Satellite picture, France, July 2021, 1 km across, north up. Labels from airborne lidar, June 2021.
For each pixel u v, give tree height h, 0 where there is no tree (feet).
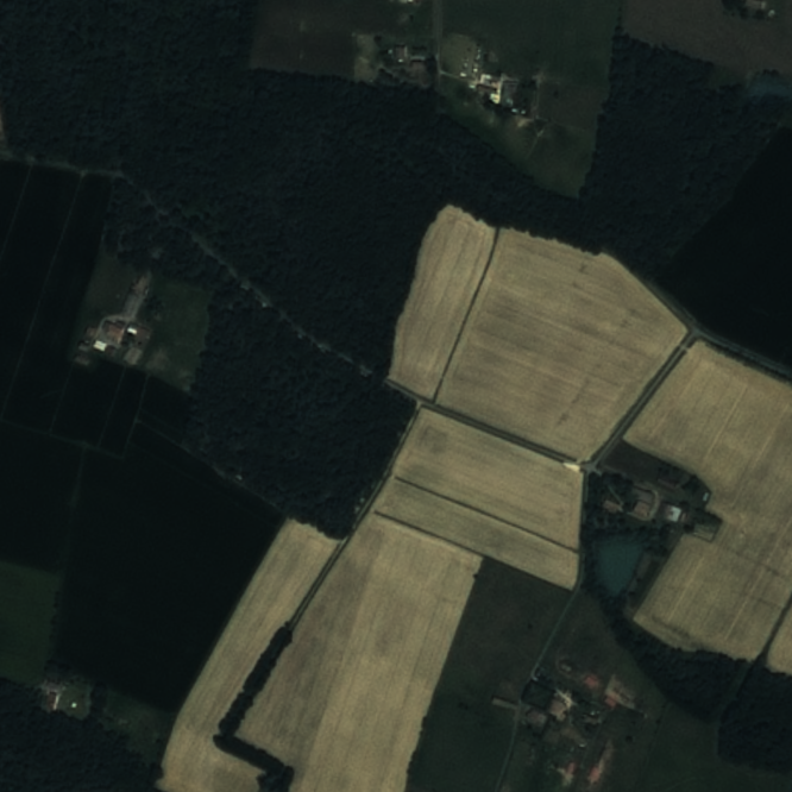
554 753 0
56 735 59
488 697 0
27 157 62
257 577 0
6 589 0
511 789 0
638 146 74
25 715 58
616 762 0
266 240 40
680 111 39
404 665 0
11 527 0
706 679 46
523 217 46
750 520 0
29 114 52
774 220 0
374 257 61
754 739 81
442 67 0
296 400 67
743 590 0
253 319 59
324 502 48
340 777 0
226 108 24
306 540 0
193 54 54
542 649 0
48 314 0
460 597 0
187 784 0
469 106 0
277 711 0
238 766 0
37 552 0
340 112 56
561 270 0
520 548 0
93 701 39
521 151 0
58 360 0
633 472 0
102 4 77
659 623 0
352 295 38
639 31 0
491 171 44
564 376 0
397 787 0
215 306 37
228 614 0
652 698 0
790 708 60
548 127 0
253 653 0
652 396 0
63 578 0
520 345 0
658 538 29
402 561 0
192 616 0
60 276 0
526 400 0
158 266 55
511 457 0
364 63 0
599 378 0
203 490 0
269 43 0
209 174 72
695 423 0
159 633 0
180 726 0
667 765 0
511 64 0
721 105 25
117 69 51
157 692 0
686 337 0
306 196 66
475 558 0
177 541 0
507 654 0
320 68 0
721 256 0
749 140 58
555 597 0
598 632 0
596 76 0
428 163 46
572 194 0
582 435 0
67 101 59
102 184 0
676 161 78
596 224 66
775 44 0
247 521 0
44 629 0
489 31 0
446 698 0
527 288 0
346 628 0
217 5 31
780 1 0
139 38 64
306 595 0
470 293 0
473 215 24
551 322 0
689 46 0
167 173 63
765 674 65
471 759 0
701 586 0
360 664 0
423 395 0
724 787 0
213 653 0
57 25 45
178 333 0
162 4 52
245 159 78
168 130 75
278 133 66
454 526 0
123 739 28
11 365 0
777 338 0
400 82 26
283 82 53
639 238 58
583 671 0
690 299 0
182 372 0
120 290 0
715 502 0
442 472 0
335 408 81
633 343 0
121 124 59
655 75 66
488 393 0
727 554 0
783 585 0
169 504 0
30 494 0
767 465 0
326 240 60
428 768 0
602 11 0
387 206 60
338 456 54
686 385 0
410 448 0
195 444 39
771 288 0
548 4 0
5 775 35
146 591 0
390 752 0
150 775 35
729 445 0
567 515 0
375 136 42
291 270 52
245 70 64
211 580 0
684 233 62
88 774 46
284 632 33
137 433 0
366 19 0
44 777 20
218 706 0
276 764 41
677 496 0
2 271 0
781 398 0
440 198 36
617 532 22
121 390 0
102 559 0
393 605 0
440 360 0
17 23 43
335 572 0
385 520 0
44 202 0
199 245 30
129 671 0
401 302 35
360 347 32
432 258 0
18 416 0
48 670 22
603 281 0
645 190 85
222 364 50
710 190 68
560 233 46
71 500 0
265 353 49
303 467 54
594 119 0
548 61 0
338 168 49
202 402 53
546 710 26
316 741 0
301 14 0
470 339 0
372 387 49
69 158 23
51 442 0
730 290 0
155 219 55
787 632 0
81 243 0
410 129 45
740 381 0
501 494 0
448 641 0
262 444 64
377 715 0
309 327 48
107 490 0
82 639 0
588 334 0
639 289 0
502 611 0
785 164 0
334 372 50
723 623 0
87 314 0
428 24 0
